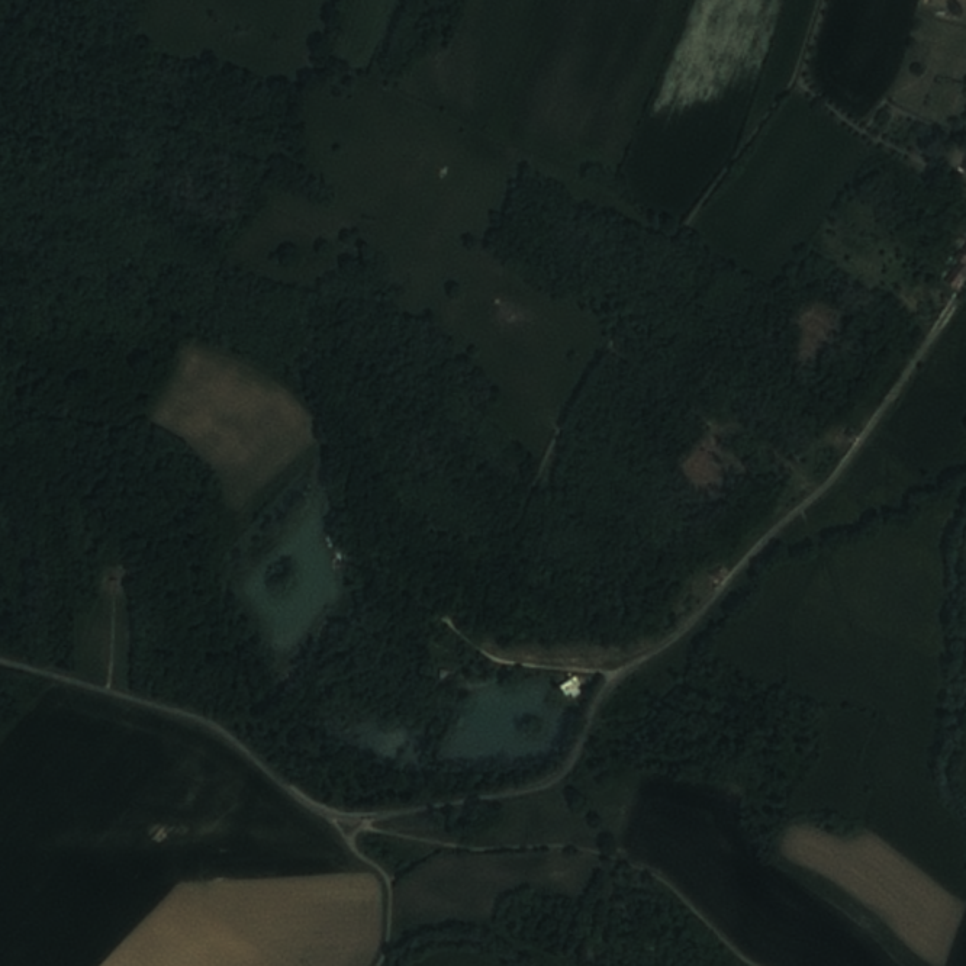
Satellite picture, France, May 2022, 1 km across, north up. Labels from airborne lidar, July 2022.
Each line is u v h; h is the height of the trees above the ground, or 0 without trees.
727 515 15
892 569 0
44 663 19
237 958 0
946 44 0
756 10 0
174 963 0
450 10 15
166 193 20
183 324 21
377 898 0
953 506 0
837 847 0
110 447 25
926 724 0
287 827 0
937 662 0
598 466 16
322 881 0
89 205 18
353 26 0
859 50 0
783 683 7
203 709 14
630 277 23
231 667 26
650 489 19
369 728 0
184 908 0
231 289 14
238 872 0
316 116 0
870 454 0
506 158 0
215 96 22
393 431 16
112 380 10
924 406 0
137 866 0
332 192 13
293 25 0
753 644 0
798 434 23
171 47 0
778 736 17
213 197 20
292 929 0
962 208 15
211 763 0
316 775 15
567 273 23
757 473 9
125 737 0
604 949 11
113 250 17
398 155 0
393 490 21
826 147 0
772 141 0
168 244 18
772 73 0
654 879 17
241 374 0
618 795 0
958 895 0
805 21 0
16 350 15
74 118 10
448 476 15
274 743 18
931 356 0
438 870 0
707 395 19
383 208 0
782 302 13
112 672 0
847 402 18
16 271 19
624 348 13
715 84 0
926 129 17
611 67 0
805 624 0
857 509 0
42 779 0
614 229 22
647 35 0
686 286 19
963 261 0
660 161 0
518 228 16
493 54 0
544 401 0
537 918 18
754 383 19
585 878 0
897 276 0
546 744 0
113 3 22
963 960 0
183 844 0
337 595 0
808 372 16
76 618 9
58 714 0
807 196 0
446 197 0
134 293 22
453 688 15
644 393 14
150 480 29
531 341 0
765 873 0
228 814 0
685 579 18
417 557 21
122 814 0
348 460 22
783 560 17
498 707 0
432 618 17
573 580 20
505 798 0
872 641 0
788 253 0
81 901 0
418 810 0
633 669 0
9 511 22
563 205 16
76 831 0
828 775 0
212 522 16
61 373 11
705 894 0
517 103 0
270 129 9
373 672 22
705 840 0
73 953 0
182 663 19
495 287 0
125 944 0
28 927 0
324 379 19
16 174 16
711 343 16
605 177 19
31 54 20
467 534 13
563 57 0
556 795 0
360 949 0
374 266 17
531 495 11
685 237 16
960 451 0
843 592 0
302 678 15
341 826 0
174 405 0
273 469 0
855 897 0
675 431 20
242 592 0
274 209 0
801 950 0
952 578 17
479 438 16
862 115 0
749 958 0
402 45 18
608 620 25
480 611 15
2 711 17
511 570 17
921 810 0
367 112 0
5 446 26
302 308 19
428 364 18
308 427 0
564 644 18
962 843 0
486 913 0
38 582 25
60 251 14
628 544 17
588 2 0
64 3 21
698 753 21
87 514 22
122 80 19
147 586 20
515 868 0
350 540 22
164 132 12
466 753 0
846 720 0
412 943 20
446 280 0
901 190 15
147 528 28
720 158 0
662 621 14
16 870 0
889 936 0
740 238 0
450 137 0
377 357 7
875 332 23
